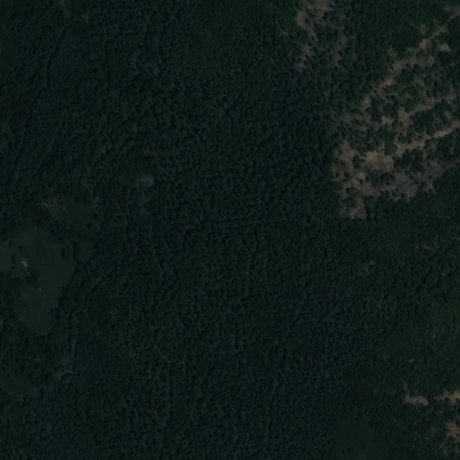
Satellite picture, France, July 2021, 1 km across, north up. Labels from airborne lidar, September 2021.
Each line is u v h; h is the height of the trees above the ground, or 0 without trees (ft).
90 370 45
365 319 68
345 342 58
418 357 88
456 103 45
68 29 49
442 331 68
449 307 79
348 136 69
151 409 73
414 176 78
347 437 0
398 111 75
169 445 75
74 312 39
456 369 85
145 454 85
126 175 54
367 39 65
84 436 70
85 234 66
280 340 59
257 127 84
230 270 59
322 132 70
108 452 90
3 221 27
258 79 57
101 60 52
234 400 57
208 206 82
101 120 72
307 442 50
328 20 89
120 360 63
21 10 71
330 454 38
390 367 32
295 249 55
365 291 89
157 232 52
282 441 67
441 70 25
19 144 65
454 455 68
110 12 68
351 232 49
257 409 32
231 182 77
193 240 92
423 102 66
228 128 82
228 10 77
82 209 0
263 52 60
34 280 59
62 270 0
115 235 71
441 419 60
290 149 86
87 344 68
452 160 66
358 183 0
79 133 32
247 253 80
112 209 72
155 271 91
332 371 43
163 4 32
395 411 46
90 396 44
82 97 55
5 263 0
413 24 62
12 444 72
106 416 58
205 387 47
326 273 61
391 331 53
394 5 71
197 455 53
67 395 50
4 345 52
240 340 46
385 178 82
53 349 62
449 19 77
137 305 76
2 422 73
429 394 80
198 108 71
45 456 73
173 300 42
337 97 69
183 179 93
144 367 76
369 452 0
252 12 48
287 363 62
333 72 61
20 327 29
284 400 51
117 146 66
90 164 24
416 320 55
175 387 43
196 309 58
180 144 85
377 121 88
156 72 62
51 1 32
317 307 78
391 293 86
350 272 47
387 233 43
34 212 82
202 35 81
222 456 68
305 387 61
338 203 52
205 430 73
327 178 39
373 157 0
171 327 61
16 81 74
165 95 93
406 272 97
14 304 72
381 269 91
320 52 73
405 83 95
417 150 81
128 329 45
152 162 77
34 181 32
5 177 56
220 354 78
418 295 105
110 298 98
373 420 29
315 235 50
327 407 58
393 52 23
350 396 46
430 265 68
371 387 26
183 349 45
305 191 73
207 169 91
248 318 69
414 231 69
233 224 70
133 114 70
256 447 51
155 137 69
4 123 47
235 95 80
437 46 36
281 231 82
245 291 74
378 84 49
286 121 71
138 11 65
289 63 34
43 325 0
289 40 85
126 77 72
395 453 37
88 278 32
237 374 20
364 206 0
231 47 74
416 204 88
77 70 60
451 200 53
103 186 63
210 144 86
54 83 75
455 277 107
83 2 26
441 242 77
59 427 67
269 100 63
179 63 58
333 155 51
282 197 57
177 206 87
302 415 69
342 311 58
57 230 68
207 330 48
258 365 74
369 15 51
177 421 89
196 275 72
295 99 74
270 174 95
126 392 54
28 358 83
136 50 65
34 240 0
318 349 73
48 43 34
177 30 73
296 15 79
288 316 79
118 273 71
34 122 69
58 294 0
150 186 0
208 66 67
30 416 73
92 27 36
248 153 86
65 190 47
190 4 70
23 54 79
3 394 70
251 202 73
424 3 57
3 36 33
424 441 59
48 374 35
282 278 73
